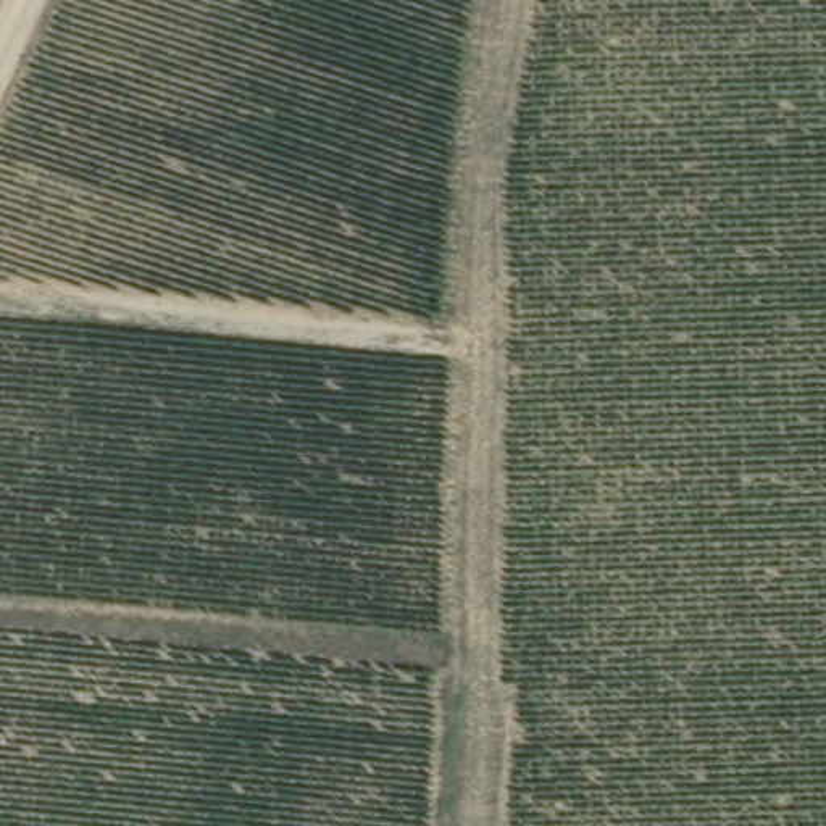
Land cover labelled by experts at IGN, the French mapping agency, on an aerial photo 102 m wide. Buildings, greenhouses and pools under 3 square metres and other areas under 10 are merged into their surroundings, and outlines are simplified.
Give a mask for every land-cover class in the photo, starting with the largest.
<instances>
[{"label":"vineyard","instance_id":"1","mask_svg":"<svg viewBox=\"0 0 826 826\"><path fill-rule=\"evenodd\" d=\"M471 0H48L35 23L32 42L26 45L16 65L13 84L6 87L0 103V281L52 277L74 287H132L142 294L181 297L207 294L216 300L245 297L258 303H290L303 310L323 303L339 313L368 310L378 316L407 313L419 323L436 319L442 313L445 290V219L452 207L448 174L455 161L461 58ZM536 35L529 42L519 81L513 152L507 161V252L513 277L507 294V358L519 365V378H507V565L500 620L503 681L516 684V716L523 723V742L513 745L510 826H826V0H539L532 19ZM448 358L316 345L290 339L216 336L197 329H165L106 319L0 316V826H426L432 729L429 681L432 671L452 661V636L442 629L439 620V484Z\"/></svg>","mask_w":826,"mask_h":826},{"label":"herbaceous vegetation","instance_id":"2","mask_svg":"<svg viewBox=\"0 0 826 826\"><path fill-rule=\"evenodd\" d=\"M539 0H471L461 58L455 161L448 174L452 207L445 219V290L442 313L436 319L419 323L407 313L378 316L368 310L339 313L323 303L303 310L290 303H258L245 297L216 300L207 294L181 297L142 294L132 287H74L52 277L0 281V316L106 319L165 329H197L216 336L290 339L316 345L448 358L439 484V620L442 629L452 636V661L432 671L429 681L432 729L426 826H510L513 745L523 742V723L516 716V684L503 681L500 620L507 565V378H519V365L507 358V294L513 277L507 252V161L513 152L519 81L529 42L536 35L532 19Z\"/></svg>","mask_w":826,"mask_h":826},{"label":"impervious surface","instance_id":"3","mask_svg":"<svg viewBox=\"0 0 826 826\"><path fill-rule=\"evenodd\" d=\"M48 0H0V103L6 87L13 84L16 65L26 45L32 42L35 23Z\"/></svg>","mask_w":826,"mask_h":826}]
</instances>
